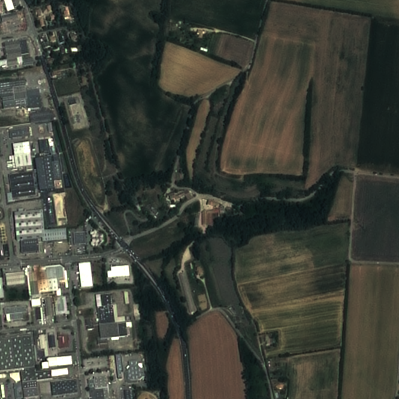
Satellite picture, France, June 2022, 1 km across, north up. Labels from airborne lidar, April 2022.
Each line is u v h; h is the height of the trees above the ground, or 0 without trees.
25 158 0
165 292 16
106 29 0
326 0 0
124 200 15
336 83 0
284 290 0
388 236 0
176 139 0
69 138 0
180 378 0
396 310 0
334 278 0
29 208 0
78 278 0
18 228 0
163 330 0
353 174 0
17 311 0
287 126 0
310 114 9
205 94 0
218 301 0
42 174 0
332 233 0
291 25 0
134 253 0
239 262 0
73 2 10
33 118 0
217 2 0
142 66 0
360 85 0
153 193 0
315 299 0
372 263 0
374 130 0
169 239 0
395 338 0
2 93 0
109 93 0
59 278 0
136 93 0
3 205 0
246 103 0
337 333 0
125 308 0
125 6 0
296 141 0
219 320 0
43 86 0
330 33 0
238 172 0
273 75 0
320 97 0
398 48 0
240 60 0
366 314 0
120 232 0
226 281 0
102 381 0
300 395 0
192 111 16
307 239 0
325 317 0
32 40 0
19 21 0
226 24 0
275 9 0
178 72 0
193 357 0
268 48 0
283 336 0
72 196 0
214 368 0
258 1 0
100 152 0
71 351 0
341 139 0
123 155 0
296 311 0
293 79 0
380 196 0
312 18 0
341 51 0
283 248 0
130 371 0
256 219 16
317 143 0
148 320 8
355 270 0
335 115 0
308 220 16
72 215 0
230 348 0
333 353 0
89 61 12
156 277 13
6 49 0
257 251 0
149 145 0
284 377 6
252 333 0
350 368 0
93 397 0
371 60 0
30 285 0
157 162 0
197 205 0
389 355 0
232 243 7
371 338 0
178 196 0
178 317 15
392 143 0
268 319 0
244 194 0
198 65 0
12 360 0
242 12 0
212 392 0
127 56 0
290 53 0
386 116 0
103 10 0
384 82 0
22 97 0
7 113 0
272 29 0
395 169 0
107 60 11
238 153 0
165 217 12
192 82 0
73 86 0
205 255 0
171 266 0
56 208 0
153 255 6
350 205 0
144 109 0
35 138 0
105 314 0
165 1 10
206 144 0
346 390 0
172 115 0
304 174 6
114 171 0
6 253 0
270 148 0
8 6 0
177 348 0
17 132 0
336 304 0
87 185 0
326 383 0
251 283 0
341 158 0
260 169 0
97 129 0
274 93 0
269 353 0
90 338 0
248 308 0
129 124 0
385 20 0
